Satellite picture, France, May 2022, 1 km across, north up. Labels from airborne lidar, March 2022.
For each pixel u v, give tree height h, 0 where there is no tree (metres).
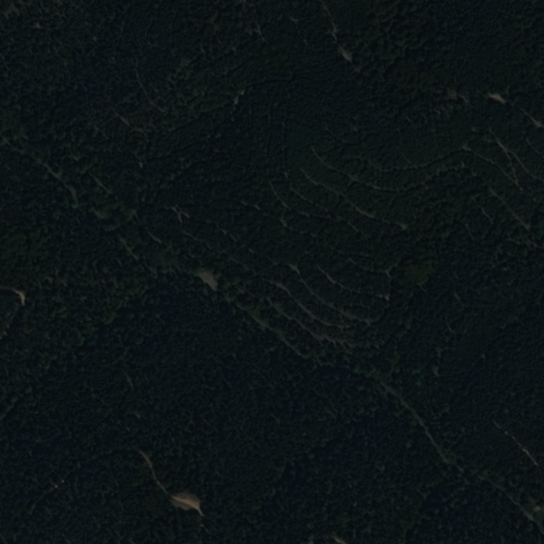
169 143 12
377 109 19
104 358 10
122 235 37
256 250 12
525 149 10
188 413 18
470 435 21
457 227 15
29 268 18
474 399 25
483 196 9
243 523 39
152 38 6
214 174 14
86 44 8
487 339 26
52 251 18
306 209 12
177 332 10
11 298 12
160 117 14
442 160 11
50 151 10
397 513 20
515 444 22
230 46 15
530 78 18
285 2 18
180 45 9
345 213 11
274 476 28
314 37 12
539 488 30
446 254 23
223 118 12
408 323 28
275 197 14
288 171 7
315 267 13
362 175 9
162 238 17
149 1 19
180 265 8
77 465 13
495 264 15
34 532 20
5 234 16
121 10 39
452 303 21
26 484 31
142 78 9
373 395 29
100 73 27
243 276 13
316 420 21
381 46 26
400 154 12
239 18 20
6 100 26
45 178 12
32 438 31
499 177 9
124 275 20
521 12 20
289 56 16
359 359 19
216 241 12
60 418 9
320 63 15
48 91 20
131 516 10
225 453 35
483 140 16
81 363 14
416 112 20
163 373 28
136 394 13
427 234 14
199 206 18
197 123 13
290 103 13
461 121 13
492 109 18
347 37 14
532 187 28
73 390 12
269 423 29
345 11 7
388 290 13
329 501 18
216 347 7
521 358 23
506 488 23
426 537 25
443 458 15
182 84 13
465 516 27
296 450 31
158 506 24
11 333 25
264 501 33
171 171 20
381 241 10
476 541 25
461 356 21
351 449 31
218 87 10
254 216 11
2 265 22
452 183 10
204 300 35
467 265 23
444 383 22
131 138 7
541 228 25
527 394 21
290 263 8
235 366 31
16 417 16
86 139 16
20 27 12
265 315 12
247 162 11
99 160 10
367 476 28
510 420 23
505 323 20
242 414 30
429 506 42
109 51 6
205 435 35
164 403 34
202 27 9
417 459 31
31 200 19
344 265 10
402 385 25
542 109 15
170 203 13
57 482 25
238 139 22
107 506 17
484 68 15
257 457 28
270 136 9
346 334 9
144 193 14
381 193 9
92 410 14
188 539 34
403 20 19
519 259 9
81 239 13
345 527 23
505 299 28
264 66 13
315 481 28
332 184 9
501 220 13
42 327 28
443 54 19
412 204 6
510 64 16
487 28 17
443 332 13
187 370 31
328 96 18
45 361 15
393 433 29
